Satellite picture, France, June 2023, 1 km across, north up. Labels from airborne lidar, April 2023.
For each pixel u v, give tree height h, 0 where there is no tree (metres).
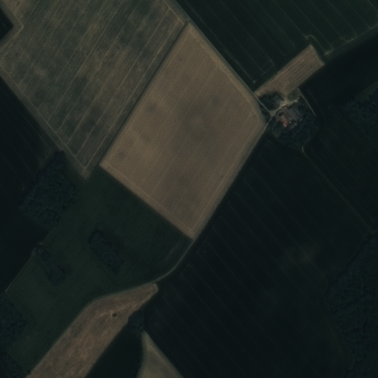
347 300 9
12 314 14
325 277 0
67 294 0
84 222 0
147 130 0
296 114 0
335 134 0
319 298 0
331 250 0
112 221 0
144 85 0
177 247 0
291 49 0
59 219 16
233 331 0
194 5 0
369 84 0
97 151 0
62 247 0
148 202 0
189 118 0
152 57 0
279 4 0
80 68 0
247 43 0
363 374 24
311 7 0
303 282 0
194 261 0
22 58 0
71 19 0
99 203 0
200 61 0
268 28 0
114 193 0
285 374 0
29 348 0
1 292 22
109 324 0
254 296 0
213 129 0
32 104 0
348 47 0
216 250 0
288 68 0
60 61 0
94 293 0
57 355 0
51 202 24
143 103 0
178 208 0
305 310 0
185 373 0
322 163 0
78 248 0
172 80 0
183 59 0
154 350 0
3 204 0
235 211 0
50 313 0
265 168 0
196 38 0
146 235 0
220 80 0
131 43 0
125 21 0
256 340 0
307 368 0
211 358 0
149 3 0
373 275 25
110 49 0
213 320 0
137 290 0
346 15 0
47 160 0
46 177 23
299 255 0
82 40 0
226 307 0
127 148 0
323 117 0
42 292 0
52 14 0
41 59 0
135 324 21
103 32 0
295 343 0
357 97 0
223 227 0
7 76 0
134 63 0
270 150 0
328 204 0
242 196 0
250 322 0
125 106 0
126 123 0
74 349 0
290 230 0
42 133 0
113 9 0
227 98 0
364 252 19
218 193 0
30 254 0
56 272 18
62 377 0
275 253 0
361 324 13
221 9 0
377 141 21
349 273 20
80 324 0
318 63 0
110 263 19
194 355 0
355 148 0
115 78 0
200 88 0
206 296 0
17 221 0
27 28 0
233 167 0
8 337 20
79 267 0
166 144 0
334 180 0
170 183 0
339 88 0
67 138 0
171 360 0
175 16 0
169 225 0
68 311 0
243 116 0
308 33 0
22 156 0
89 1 0
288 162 0
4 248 0
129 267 0
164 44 0
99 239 18
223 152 0
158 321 0
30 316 0
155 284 0
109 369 0
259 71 0
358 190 0
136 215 0
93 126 0
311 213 0
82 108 0
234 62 0
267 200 0
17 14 0
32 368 0
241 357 0
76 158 0
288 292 0
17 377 14
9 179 0
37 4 0
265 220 0
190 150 0
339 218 0
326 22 0
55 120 0
